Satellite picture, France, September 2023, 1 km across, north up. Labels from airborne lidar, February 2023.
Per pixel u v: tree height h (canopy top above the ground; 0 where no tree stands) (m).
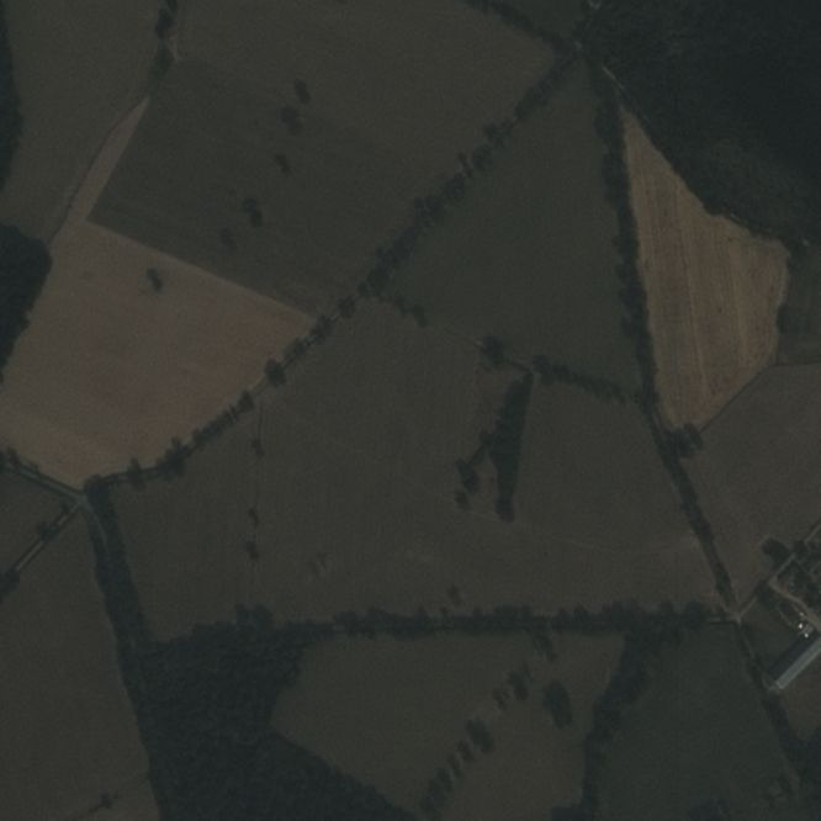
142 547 0
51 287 0
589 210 0
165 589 0
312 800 22
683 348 0
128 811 0
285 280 0
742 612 0
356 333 0
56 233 0
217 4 0
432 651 0
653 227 0
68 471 0
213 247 0
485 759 0
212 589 0
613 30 11
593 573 0
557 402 0
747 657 11
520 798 0
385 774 0
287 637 7
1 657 0
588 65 14
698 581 0
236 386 0
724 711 0
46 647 0
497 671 0
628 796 0
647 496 0
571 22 0
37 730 0
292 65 0
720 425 0
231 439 0
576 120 0
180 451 16
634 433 0
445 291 0
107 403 0
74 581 0
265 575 0
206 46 0
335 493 0
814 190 11
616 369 0
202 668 22
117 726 0
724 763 0
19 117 17
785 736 14
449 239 0
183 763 15
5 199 0
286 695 0
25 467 0
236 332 0
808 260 0
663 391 0
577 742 0
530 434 0
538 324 0
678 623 14
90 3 0
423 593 0
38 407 0
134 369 0
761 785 0
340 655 0
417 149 0
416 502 0
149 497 0
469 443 0
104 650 0
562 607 0
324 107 0
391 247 0
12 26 0
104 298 0
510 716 0
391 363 0
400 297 0
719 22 8
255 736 8
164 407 0
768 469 0
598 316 0
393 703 0
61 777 0
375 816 18
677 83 6
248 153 0
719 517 0
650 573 0
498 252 0
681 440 14
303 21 0
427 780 0
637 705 0
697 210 0
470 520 0
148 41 0
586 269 0
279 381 14
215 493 0
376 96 0
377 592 0
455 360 0
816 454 0
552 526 0
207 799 25
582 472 0
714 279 0
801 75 20
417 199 0
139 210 0
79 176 0
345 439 0
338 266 0
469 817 0
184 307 0
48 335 0
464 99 0
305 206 0
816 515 0
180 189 0
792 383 0
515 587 0
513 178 0
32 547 0
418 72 0
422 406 0
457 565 0
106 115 0
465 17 0
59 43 0
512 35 0
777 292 0
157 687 21
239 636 16
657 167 0
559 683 0
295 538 0
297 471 0
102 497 19
